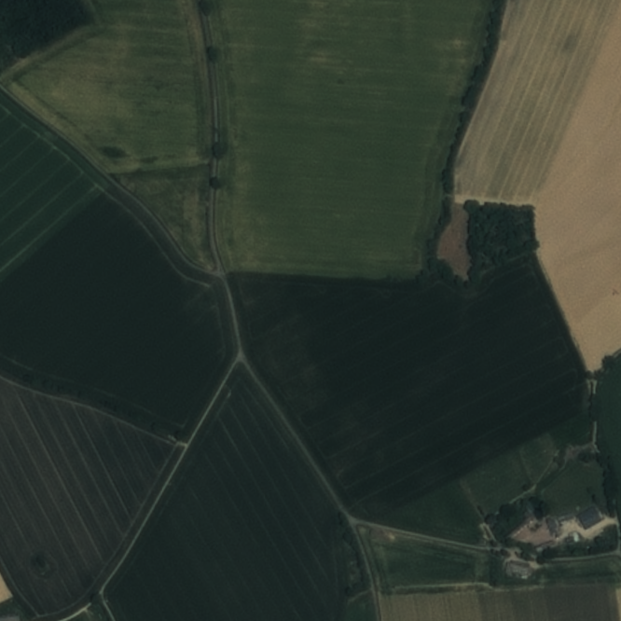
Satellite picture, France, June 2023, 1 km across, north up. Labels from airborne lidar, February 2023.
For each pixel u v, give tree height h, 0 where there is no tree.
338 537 0
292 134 0
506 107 0
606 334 0
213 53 15
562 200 0
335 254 0
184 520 0
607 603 0
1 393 0
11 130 0
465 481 0
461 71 0
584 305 0
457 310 0
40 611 0
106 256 0
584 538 0
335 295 0
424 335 0
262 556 0
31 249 0
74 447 0
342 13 0
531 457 0
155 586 0
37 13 9
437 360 0
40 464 0
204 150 0
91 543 0
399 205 0
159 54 0
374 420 0
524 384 0
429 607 0
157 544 0
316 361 0
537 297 0
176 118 0
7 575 0
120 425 0
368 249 0
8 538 0
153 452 0
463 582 0
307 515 0
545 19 0
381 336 0
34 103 0
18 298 0
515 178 0
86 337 0
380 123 0
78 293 0
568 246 0
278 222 0
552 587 0
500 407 0
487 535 0
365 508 0
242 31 0
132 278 0
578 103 0
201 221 0
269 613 0
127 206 0
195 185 0
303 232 0
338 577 0
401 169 0
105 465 0
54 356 0
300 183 0
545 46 0
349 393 0
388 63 0
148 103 0
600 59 0
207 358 0
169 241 0
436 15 0
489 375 0
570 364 0
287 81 0
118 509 0
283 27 0
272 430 0
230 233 0
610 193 0
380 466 0
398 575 0
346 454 0
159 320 0
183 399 0
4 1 20
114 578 0
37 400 0
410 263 0
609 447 0
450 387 0
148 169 0
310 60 0
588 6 0
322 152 0
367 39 0
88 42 0
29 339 0
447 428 0
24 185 0
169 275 0
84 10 12
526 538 0
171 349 0
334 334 0
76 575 0
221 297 0
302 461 0
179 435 13
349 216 0
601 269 0
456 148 10
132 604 0
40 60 0
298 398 0
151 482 0
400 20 0
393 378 0
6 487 0
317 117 0
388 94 0
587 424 0
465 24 0
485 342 0
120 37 0
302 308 0
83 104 0
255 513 0
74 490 0
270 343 0
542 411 0
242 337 0
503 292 0
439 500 0
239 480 0
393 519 0
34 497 0
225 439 0
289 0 0
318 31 0
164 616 0
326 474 0
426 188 0
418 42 0
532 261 0
